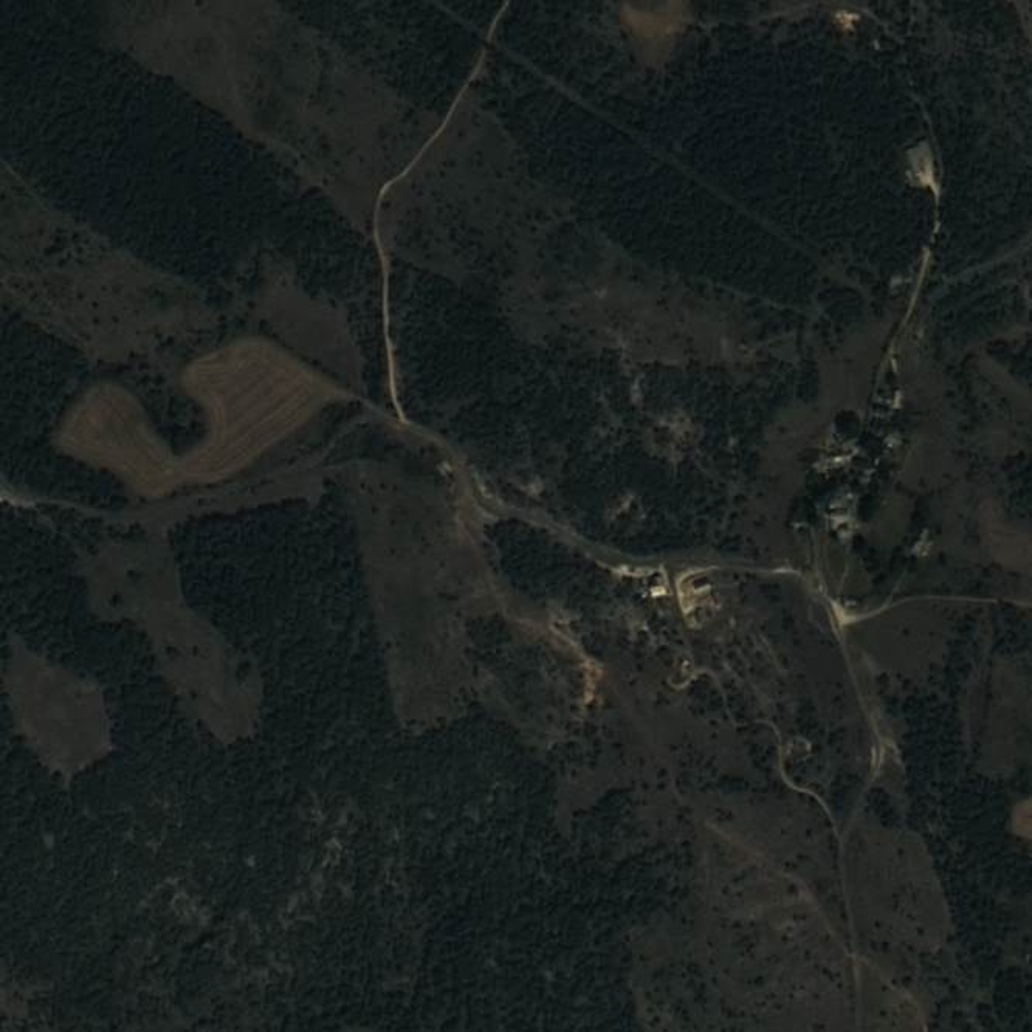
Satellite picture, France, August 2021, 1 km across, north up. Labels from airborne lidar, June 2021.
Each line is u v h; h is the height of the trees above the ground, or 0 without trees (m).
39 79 7
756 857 0
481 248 7
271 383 0
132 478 0
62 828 6
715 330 0
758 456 6
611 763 0
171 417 7
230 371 0
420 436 0
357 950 9
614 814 9
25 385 10
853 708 0
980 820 12
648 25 0
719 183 7
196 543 9
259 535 13
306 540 10
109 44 0
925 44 9
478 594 0
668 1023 0
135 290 0
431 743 8
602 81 7
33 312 0
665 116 7
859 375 0
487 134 0
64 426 0
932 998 0
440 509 0
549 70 7
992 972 7
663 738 0
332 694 10
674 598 0
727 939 0
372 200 0
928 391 0
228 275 12
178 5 0
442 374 9
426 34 11
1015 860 8
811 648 0
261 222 11
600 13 7
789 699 0
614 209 6
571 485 8
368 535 0
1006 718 0
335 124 0
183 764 7
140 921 7
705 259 11
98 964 6
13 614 10
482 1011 7
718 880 0
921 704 8
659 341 0
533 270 0
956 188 9
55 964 6
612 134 7
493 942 7
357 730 7
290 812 6
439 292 7
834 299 9
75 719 0
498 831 8
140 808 7
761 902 0
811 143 10
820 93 11
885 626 0
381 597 0
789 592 0
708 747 0
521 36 13
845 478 7
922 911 0
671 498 8
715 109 8
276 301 0
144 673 6
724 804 0
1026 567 0
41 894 5
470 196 0
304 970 6
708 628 0
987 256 10
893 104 7
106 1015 9
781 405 10
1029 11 0
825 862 0
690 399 8
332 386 0
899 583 0
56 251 11
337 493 11
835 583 0
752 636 0
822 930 0
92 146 11
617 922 7
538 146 8
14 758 9
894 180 10
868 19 0
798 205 10
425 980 10
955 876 8
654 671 0
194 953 7
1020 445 0
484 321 6
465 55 11
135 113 10
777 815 0
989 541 0
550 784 8
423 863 7
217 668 0
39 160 12
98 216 12
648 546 8
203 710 0
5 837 6
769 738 0
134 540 8
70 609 13
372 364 7
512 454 6
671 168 7
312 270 9
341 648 9
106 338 0
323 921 6
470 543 0
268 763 9
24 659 0
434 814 6
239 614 7
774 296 10
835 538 10
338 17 7
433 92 10
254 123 0
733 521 7
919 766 10
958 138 10
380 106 0
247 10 0
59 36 12
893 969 0
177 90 11
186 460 0
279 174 9
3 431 12
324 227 9
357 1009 10
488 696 0
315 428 0
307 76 0
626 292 0
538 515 0
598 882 12
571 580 8
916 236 9
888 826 12
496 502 0
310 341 0
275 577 10
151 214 10
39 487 10
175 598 0
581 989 7
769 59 8
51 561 12
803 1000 0
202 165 12
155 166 13
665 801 0
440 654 0
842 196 8
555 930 12
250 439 0
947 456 0
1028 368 10
